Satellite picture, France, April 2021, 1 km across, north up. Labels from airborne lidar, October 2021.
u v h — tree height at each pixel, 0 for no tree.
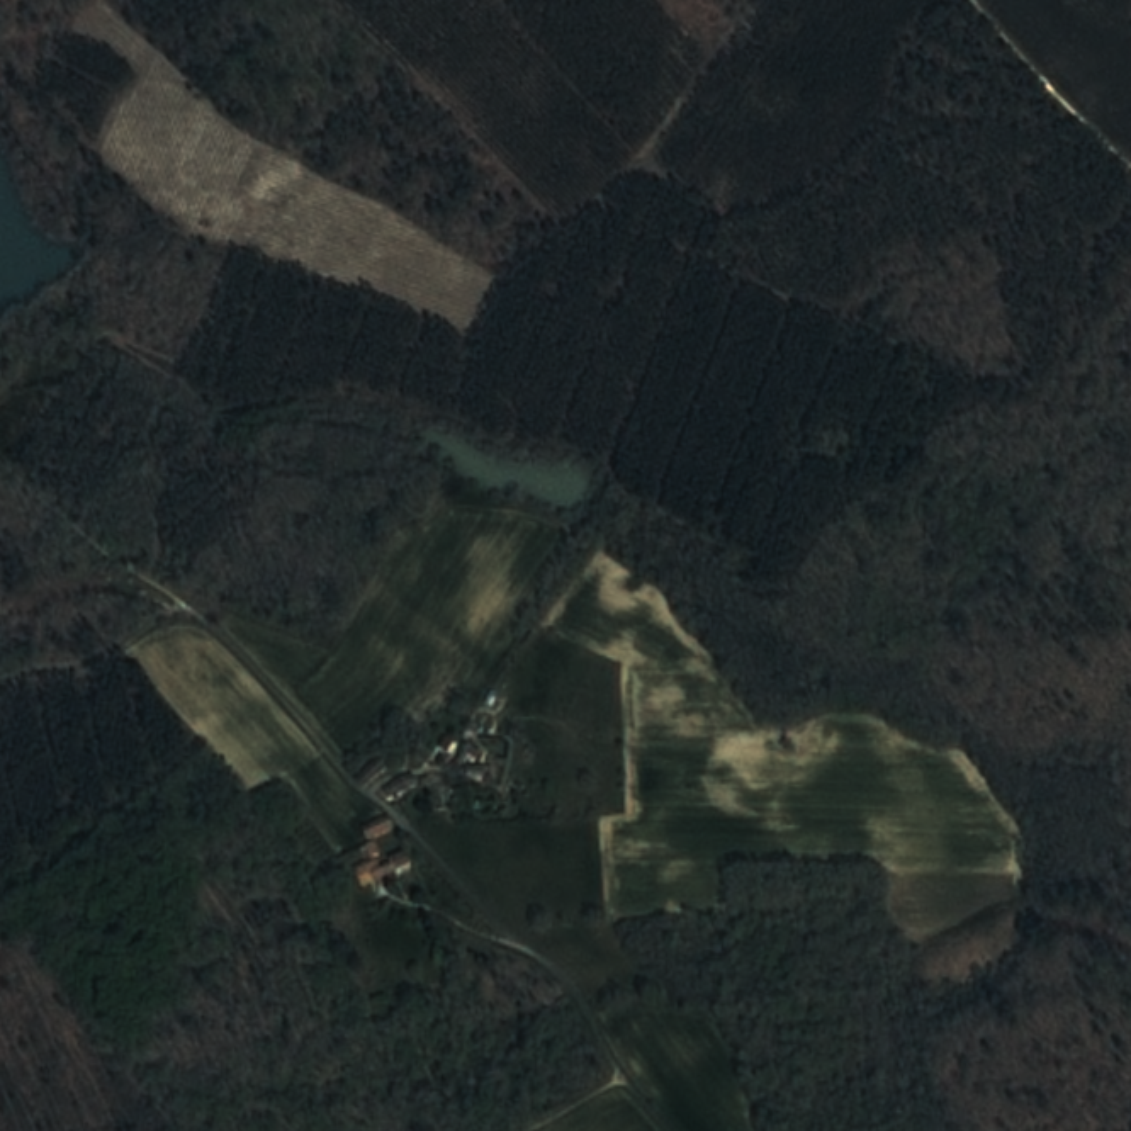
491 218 11
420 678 0
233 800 14
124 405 15
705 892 0
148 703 19
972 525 26
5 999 15
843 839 0
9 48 8
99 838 20
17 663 15
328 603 22
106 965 23
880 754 0
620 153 11
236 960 15
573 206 8
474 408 20
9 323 17
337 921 15
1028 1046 10
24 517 15
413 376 18
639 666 0
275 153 0
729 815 0
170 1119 9
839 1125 17
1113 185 20
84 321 18
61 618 13
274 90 16
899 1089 19
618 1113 0
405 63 7
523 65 8
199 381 17
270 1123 20
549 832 0
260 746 0
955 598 14
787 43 9
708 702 0
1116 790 18
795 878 18
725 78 13
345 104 14
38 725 18
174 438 14
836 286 22
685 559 17
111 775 15
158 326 8
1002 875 0
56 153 14
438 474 20
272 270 15
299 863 13
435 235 12
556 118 10
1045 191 23
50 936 18
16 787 16
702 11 0
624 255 18
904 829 0
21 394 9
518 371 18
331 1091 14
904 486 23
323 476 10
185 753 17
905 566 23
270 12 20
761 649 18
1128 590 16
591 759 0
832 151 9
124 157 0
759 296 18
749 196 6
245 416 10
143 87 0
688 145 10
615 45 15
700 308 18
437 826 0
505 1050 10
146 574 20
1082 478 18
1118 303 5
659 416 18
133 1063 20
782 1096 13
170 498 12
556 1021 21
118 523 22
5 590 12
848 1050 12
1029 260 21
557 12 14
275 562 17
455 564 0
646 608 0
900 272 16
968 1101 13
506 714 0
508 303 18
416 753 15
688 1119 0
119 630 17
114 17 0
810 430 18
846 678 21
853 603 22
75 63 16
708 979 17
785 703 22
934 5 7
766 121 8
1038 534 20
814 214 25
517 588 0
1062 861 19
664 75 14
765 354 19
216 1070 17
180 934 19
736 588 20
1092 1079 11
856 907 9
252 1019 14
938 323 13
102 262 11
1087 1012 15
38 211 7
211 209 0
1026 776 20
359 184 14
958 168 23
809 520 17
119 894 20
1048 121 18
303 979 19
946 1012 12
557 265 19
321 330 18
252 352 19
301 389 18
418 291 0
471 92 9
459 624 0
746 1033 11
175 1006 19
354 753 7
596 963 0
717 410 18
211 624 13
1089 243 20
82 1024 19
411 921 6
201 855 21
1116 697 11
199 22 26
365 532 17
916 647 23
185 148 0
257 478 11
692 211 18
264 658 0
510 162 8
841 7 8
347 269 0
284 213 0
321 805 0
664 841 0
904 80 11
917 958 15
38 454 14
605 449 17
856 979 13
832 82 9
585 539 19
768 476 15
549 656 0
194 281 7
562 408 19
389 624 0
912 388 18
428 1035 20
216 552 16
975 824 0
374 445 22
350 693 0
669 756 0
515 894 0
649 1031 0
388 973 0
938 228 25
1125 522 13
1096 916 29
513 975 13
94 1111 15
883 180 21
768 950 15
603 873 0
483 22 10
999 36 18
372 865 0
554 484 0
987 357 16
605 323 18
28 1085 14
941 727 21
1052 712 14
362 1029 20
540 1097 19
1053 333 24
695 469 17
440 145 26
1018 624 15
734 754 0
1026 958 16
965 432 16
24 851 14
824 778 0
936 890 0
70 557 24
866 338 16
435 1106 27
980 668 17
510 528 0
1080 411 14
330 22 13
